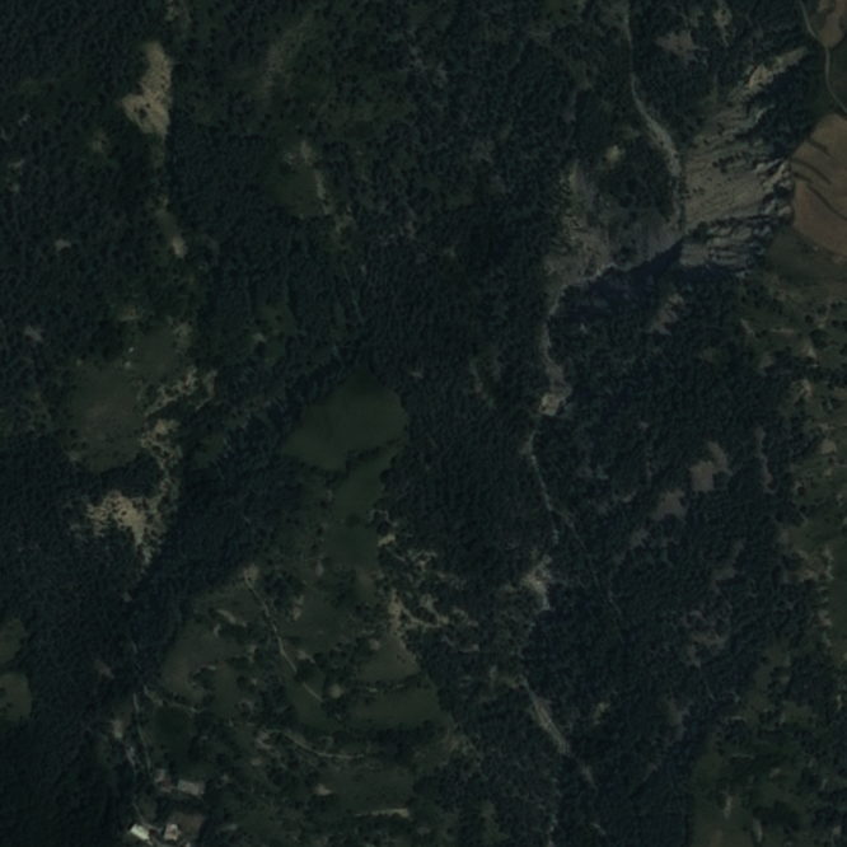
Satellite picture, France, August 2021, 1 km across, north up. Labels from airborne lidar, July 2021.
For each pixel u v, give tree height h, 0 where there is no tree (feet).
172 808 56
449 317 43
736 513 87
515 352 86
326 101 22
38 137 28
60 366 46
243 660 29
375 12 57
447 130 57
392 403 0
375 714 0
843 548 0
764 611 55
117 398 0
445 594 78
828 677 25
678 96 58
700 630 52
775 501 73
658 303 44
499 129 80
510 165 26
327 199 20
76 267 17
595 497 53
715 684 38
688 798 23
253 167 102
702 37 23
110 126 34
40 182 88
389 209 37
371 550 0
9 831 65
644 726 79
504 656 23
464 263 45
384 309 72
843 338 0
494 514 84
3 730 25
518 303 92
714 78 44
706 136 0
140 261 50
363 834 33
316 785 19
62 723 116
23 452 55
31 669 72
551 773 30
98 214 96
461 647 49
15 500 96
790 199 38
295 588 22
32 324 26
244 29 57
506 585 66
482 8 61
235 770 31
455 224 44
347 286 49
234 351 27
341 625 0
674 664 55
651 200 58
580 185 0
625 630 20
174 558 77
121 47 99
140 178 35
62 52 79
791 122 56
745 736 47
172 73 20
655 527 66
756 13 60
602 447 79
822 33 0
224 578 72
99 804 68
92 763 54
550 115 77
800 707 30
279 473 69
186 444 26
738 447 60
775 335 0
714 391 81
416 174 62
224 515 98
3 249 28
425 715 0
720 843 0
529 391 61
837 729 26
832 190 0
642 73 60
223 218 99
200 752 31
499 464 81
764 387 64
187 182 106
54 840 64
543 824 48
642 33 21
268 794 23
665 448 70
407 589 29
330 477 24
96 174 34
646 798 73
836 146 0
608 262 0
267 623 20
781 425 42
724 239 0
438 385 82
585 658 90
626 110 54
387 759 32
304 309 88
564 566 51
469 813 51
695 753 57
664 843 66
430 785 42
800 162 0
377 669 0
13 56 84
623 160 25
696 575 48
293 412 40
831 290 0
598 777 20
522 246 78
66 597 75
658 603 60
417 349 53
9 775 34
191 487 35
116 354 24
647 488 85
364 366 40
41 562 87
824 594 21
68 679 114
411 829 26
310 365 38
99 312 32
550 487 23
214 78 35
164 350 0
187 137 94
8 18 98
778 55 41
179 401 20
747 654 40
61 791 70
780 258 0
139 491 61
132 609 50
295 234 86
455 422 74
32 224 33
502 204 27
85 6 96
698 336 64
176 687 0
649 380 77
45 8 90
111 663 109
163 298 34
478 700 100
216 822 48
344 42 31
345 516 0
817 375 30
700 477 0
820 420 0
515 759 78
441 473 39
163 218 0
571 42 65
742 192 0
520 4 61
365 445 0
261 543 32
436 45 26
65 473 93
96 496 64
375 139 22
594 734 28
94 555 87
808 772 18
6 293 21
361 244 19
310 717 0
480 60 26
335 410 0
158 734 0
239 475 48
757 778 23
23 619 42
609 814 83
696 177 0
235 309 91
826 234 0
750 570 78
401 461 25
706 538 71
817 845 31
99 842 54
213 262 114
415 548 40
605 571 45
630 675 74
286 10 49
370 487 0
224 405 23
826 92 0
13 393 90
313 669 21
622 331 40
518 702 60
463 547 28
